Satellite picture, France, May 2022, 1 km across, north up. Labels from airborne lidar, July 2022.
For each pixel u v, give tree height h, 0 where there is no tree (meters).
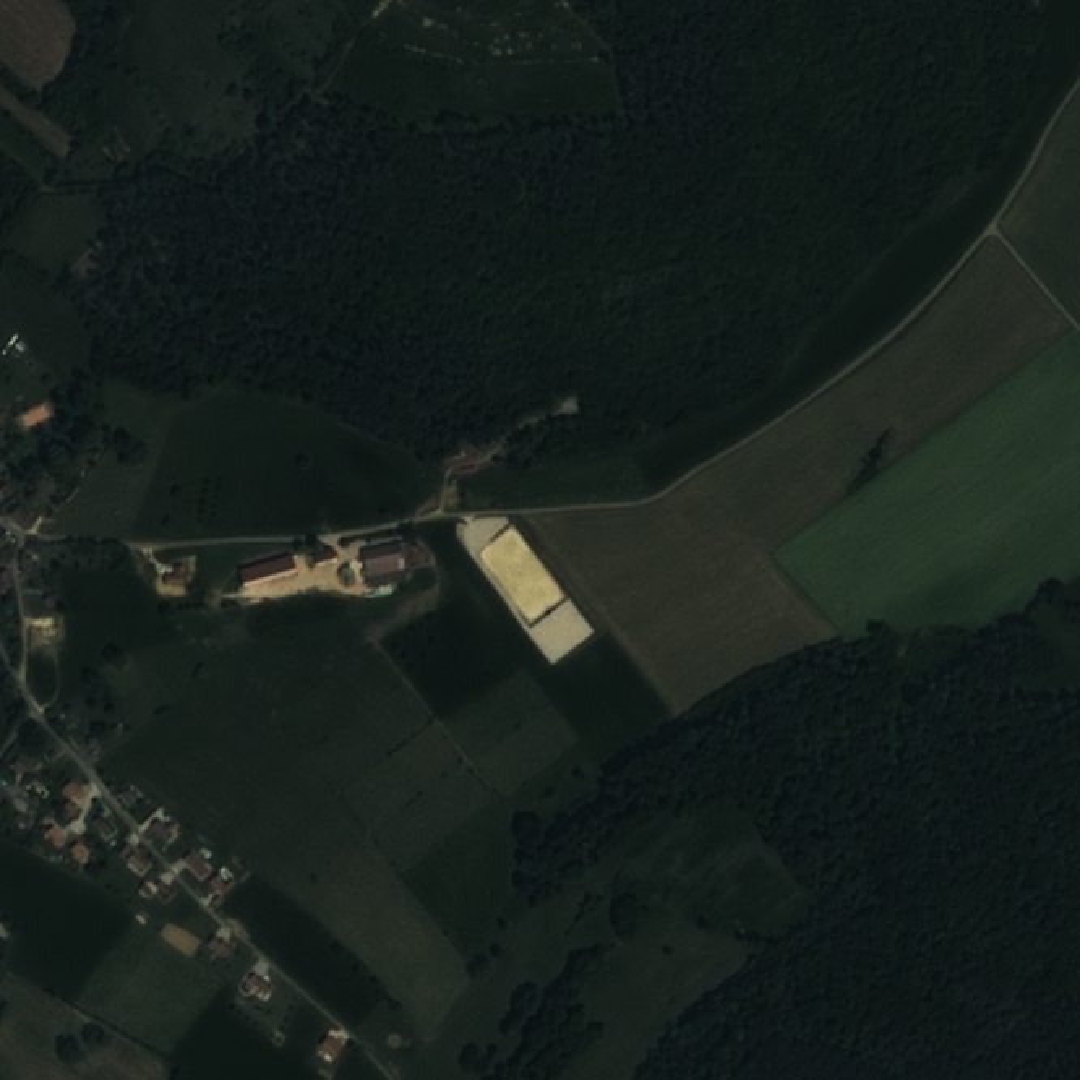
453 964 0
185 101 0
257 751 0
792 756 20
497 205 14
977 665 24
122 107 0
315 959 0
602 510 0
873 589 0
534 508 0
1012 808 24
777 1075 16
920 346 0
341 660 0
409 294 16
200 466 0
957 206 0
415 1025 0
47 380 11
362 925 0
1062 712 17
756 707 20
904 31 15
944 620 0
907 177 13
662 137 19
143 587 0
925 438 0
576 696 0
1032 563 0
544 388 15
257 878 0
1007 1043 12
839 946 20
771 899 0
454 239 14
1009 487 0
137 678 0
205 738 0
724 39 12
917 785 23
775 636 0
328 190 22
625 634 0
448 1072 0
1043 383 0
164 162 9
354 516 0
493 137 17
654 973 0
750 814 15
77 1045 10
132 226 20
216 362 24
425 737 0
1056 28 0
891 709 13
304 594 0
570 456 16
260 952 0
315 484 0
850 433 0
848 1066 14
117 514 0
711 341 13
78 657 0
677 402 16
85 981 0
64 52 0
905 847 21
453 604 0
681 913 0
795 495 0
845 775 22
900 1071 10
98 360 13
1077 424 0
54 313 0
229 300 20
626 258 10
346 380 22
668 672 0
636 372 10
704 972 0
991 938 19
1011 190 0
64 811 7
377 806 0
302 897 0
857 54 11
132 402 0
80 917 0
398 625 0
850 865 15
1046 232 0
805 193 12
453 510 0
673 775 21
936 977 23
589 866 13
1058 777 23
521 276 13
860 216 14
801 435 0
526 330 13
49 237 0
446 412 17
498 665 0
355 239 11
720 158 13
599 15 12
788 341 18
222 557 0
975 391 0
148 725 0
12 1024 0
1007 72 19
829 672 20
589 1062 0
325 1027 0
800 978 17
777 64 12
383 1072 0
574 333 13
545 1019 12
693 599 0
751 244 12
